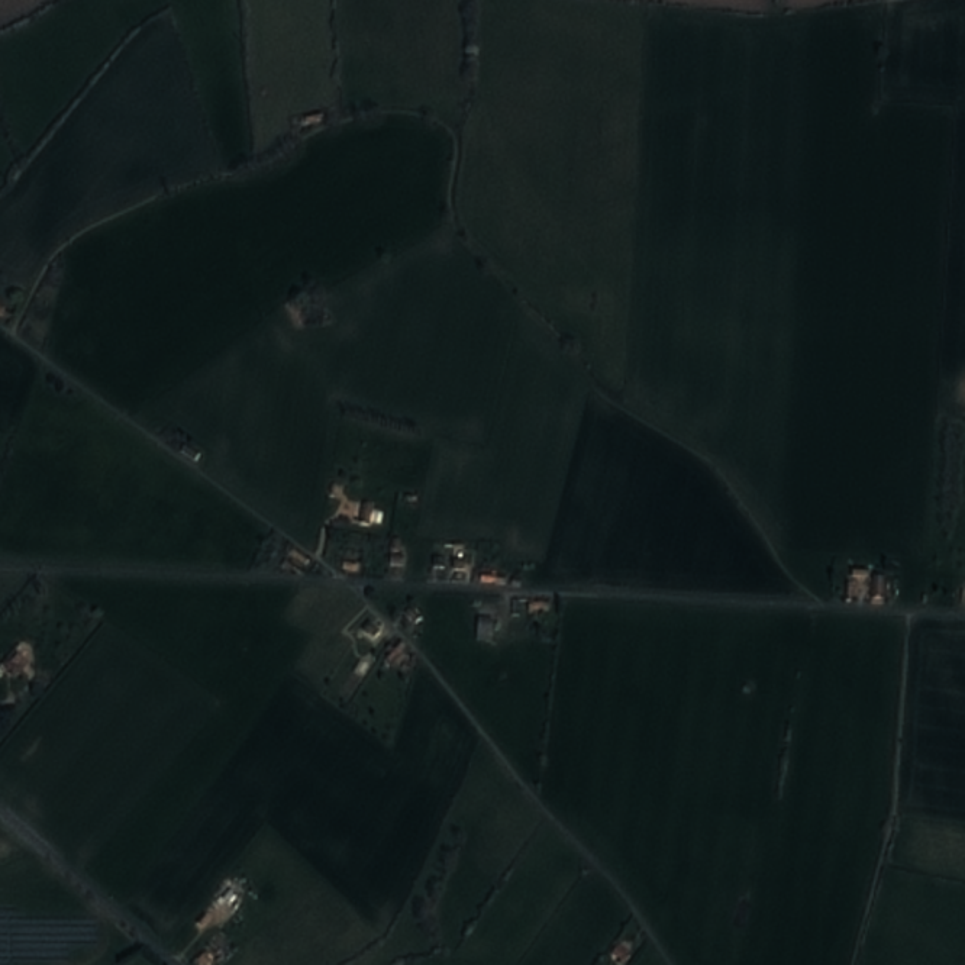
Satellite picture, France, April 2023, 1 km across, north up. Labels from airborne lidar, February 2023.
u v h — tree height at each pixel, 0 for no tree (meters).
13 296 12
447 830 0
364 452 0
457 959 0
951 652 0
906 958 0
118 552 0
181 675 0
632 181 0
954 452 14
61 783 0
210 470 0
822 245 0
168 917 0
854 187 0
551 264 0
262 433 0
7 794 0
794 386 0
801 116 0
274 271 0
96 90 0
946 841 0
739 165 0
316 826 0
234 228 0
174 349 0
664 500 0
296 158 16
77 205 0
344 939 0
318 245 0
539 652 0
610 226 0
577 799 0
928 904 0
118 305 0
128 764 0
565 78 0
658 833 0
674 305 0
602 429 0
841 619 0
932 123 0
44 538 0
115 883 0
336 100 0
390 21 0
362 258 0
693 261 0
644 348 0
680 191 0
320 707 0
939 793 0
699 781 0
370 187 0
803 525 0
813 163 0
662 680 0
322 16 0
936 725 0
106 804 0
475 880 0
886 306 0
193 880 0
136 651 0
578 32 0
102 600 0
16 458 0
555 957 0
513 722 0
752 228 0
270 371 0
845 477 0
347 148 0
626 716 0
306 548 0
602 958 7
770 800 0
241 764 0
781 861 0
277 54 0
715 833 0
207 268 0
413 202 0
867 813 0
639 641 0
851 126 0
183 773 0
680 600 0
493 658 0
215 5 0
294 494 0
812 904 0
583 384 0
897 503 0
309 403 0
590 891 0
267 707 0
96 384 0
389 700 0
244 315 0
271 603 0
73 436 0
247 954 0
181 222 0
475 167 0
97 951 0
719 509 0
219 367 0
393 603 0
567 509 0
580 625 0
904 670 0
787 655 0
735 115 0
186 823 0
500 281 0
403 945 0
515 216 0
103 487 0
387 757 0
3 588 0
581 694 0
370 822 0
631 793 0
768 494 0
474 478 0
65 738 0
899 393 0
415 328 0
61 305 0
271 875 0
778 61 0
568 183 0
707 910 0
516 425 0
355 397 0
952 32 0
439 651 0
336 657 0
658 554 0
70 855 0
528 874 0
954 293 0
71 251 0
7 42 0
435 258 0
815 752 0
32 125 0
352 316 0
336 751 0
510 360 0
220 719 0
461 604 0
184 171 0
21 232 0
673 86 0
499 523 0
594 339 0
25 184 0
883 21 0
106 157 0
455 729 0
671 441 0
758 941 0
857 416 0
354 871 0
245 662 0
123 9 0
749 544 0
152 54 0
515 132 0
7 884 0
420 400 0
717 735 0
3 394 0
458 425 0
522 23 0
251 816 0
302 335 0
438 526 0
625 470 0
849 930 0
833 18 0
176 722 0
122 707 0
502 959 0
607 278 0
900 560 0
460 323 0
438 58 0
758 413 0
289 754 0
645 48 0
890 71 0
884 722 0
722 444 0
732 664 0
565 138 0
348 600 0
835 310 0
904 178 0
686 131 0
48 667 0
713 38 0
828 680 0
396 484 0
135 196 0
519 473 0
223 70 0
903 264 0
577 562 0
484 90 0
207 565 0
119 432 0
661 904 0
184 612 0
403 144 0
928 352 0
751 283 0
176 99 0
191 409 0
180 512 0
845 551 0
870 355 0
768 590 0
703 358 0
